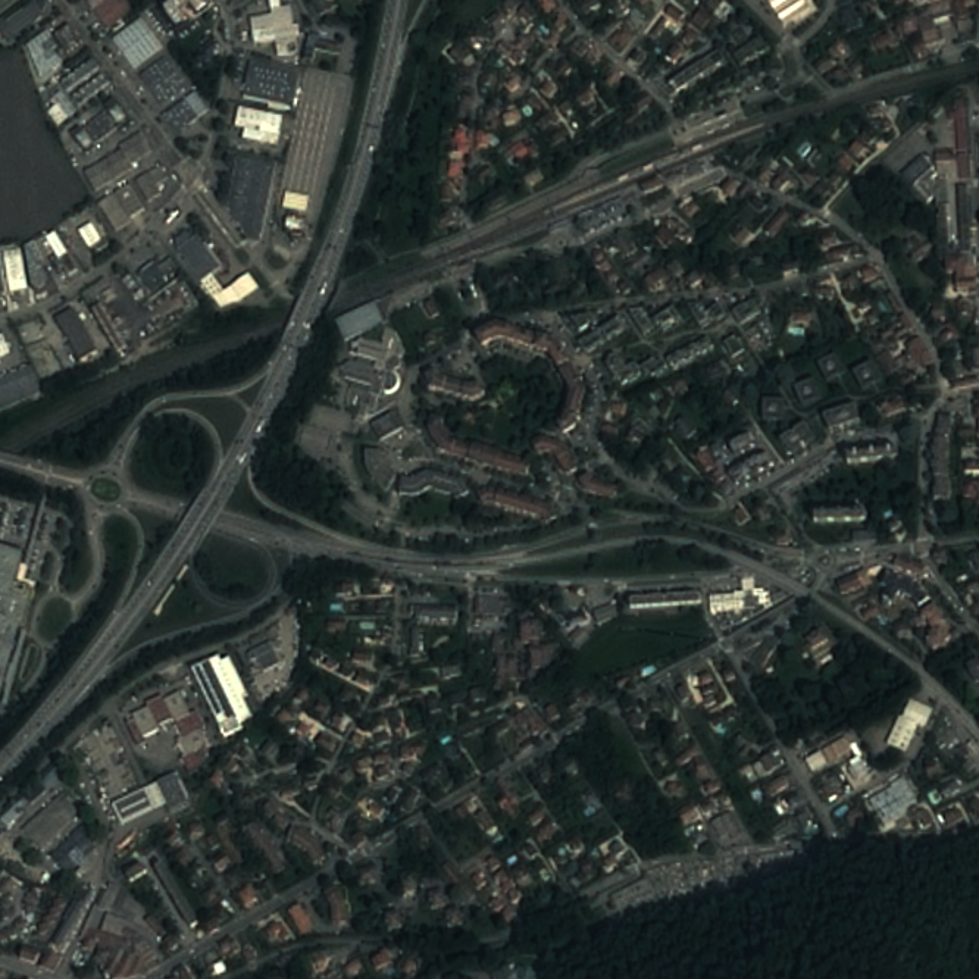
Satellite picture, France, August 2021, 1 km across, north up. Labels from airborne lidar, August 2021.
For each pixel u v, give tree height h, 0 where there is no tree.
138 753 0
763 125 0
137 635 0
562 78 6
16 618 0
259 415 0
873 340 6
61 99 0
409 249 0
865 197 23
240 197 0
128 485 0
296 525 13
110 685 18
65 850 0
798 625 18
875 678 20
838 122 8
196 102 0
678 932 26
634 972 18
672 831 11
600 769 9
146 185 0
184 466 14
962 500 10
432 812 13
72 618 0
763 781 6
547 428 11
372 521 0
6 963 0
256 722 9
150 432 19
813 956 23
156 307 0
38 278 0
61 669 16
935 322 9
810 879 34
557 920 20
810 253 8
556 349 0
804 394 0
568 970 23
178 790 0
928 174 0
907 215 18
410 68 15
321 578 21
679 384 0
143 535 0
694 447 13
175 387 13
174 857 7
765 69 11
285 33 0
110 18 0
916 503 22
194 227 7
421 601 0
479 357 8
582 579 0
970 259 0
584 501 8
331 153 0
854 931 35
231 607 0
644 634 0
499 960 21
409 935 10
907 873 29
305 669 13
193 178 0
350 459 0
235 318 11
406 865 9
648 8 0
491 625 0
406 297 0
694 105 11
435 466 7
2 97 0
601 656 0
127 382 0
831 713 14
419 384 7
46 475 0
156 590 0
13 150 0
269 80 0
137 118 0
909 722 0
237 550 0
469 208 7
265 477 19
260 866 8
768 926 18
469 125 12
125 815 0
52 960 0
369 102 0
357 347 0
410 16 0
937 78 0
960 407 0
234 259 0
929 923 21
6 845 0
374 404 0
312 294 0
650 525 10
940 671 13
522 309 8
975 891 17
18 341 0
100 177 0
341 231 0
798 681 0
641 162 0
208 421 0
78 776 21
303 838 0
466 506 14
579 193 0
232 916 11
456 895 16
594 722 13
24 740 0
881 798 0
